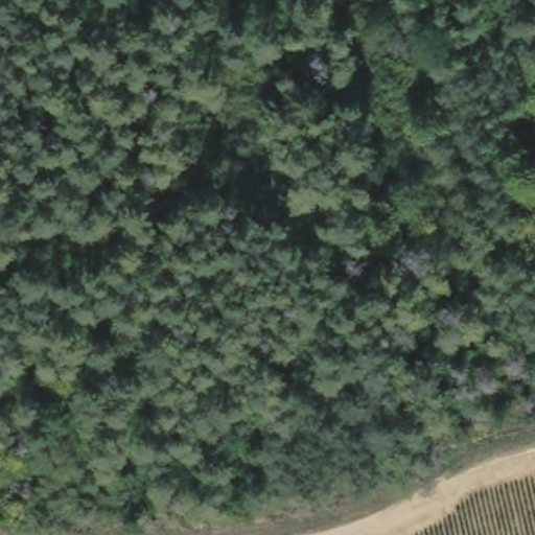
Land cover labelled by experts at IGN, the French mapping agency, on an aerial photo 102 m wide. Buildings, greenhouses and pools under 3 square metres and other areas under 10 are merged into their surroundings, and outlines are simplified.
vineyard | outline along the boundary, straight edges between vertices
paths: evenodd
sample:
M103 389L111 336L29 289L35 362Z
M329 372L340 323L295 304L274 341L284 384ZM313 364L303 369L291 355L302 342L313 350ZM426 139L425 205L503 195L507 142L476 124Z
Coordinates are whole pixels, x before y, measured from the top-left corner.
M495 487L472 491L441 522L416 535L535 535L535 476L525 476L518 481L508 481Z

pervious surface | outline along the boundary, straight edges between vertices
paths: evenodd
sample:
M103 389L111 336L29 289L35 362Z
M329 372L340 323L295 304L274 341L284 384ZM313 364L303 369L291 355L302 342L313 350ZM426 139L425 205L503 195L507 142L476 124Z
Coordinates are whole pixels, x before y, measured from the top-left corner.
M495 487L508 481L518 481L525 476L535 476L535 445L493 456L451 476L439 476L428 495L416 493L410 497L355 522L305 535L416 535L441 522L472 491Z

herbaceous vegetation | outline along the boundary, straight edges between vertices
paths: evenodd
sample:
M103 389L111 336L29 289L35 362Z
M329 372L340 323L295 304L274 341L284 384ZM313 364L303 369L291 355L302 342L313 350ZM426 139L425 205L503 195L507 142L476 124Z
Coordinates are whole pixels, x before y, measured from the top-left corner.
M424 466L418 462L414 466L414 479L410 487L416 493L428 495L439 476L451 476L493 456L535 445L535 416L531 414L531 401L527 397L518 403L512 403L506 410L504 420L493 418L485 410L479 410L474 399L458 399L456 408L443 410L447 416L441 424L426 428L428 435L433 439L439 437L441 443L437 458L433 458L433 464Z
M303 497L268 497L261 506L259 516L242 522L224 512L217 512L224 502L222 495L209 497L207 502L199 502L190 493L178 502L176 497L171 497L169 489L159 487L148 489L148 502L153 506L136 522L121 522L115 516L90 512L88 516L82 516L77 525L71 525L69 531L40 529L21 535L305 535L355 522L410 497L401 491L399 485L391 483L378 483L376 489L372 489L368 495L355 497L355 487L347 479L336 481L330 493L316 491L313 502L307 502Z

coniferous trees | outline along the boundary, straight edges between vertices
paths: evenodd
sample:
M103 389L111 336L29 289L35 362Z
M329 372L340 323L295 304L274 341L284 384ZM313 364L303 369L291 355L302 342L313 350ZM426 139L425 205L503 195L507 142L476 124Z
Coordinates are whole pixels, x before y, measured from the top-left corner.
M21 535L40 529L69 531L71 525L77 525L82 516L88 516L90 512L115 516L121 522L136 522L153 506L148 502L148 489L159 487L169 489L171 497L176 497L178 502L190 493L199 502L207 502L209 497L222 495L224 502L217 512L224 512L242 522L259 516L261 506L268 497L303 497L307 502L313 502L316 491L330 493L336 481L347 479L355 487L355 497L368 495L372 489L376 489L378 483L391 483L399 485L401 491L410 497L416 493L410 487L414 479L414 466L418 462L424 466L433 464L433 458L437 458L441 443L439 437L433 439L428 435L426 428L441 424L447 416L443 410L456 408L458 399L474 399L479 410L485 410L493 418L504 420L506 410L512 403L518 403L527 397L531 401L531 414L535 416L535 207L525 207L516 203L512 196L506 194L504 186L508 180L518 178L529 169L535 169L535 0L506 0L510 4L510 15L504 17L502 23L497 23L489 33L483 33L479 27L481 8L474 4L476 0L0 0L0 535ZM414 21L424 29L428 29L433 21L437 27L445 27L456 46L447 54L456 63L447 69L435 69L431 75L426 75L426 71L418 71L412 88L405 94L408 107L412 111L412 123L403 127L401 138L385 138L378 125L368 123L368 115L372 111L372 73L366 65L366 52L362 42L374 31L374 27L385 25L393 27L395 42L403 44L408 42L405 29L412 29ZM370 182L362 173L366 167L372 165L374 157L382 159L389 167L389 171L382 176L378 184ZM393 196L399 211L397 215L391 215L391 228L387 234L382 234L374 226L374 219L370 217L370 211L366 207L370 199L387 201L389 196ZM226 451L230 449L230 445L240 441L247 443L247 449L253 453L270 453L274 464L261 468L247 464L240 458L228 456Z

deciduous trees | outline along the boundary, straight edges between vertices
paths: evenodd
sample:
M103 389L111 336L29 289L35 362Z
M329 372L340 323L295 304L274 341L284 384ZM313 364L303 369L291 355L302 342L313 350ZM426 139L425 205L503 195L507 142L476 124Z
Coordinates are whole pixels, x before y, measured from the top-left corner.
M370 211L370 217L374 219L374 226L382 234L387 234L391 228L391 215L397 215L399 211L393 196L389 196L387 201L370 199L366 207Z
M247 464L261 468L274 464L270 453L253 453L247 449L247 443L240 441L230 445L230 449L226 451L228 456L240 458Z
M370 182L378 184L382 176L389 171L389 167L382 159L374 157L372 165L366 167L362 173Z
M497 23L502 23L504 17L510 15L510 4L506 0L476 0L474 4L481 8L479 27L483 33L489 33Z
M426 75L431 75L435 69L447 69L456 63L447 54L456 46L445 27L437 27L433 21L428 29L424 29L414 21L412 29L405 29L408 42L403 44L395 42L393 27L385 25L374 27L374 31L362 42L366 52L366 65L372 73L372 111L368 115L368 123L378 125L385 138L401 138L403 127L412 123L412 111L408 107L405 94L412 88L418 71L426 71Z
M535 207L535 169L529 169L518 178L508 180L504 186L506 194L512 196L516 203L525 207Z

